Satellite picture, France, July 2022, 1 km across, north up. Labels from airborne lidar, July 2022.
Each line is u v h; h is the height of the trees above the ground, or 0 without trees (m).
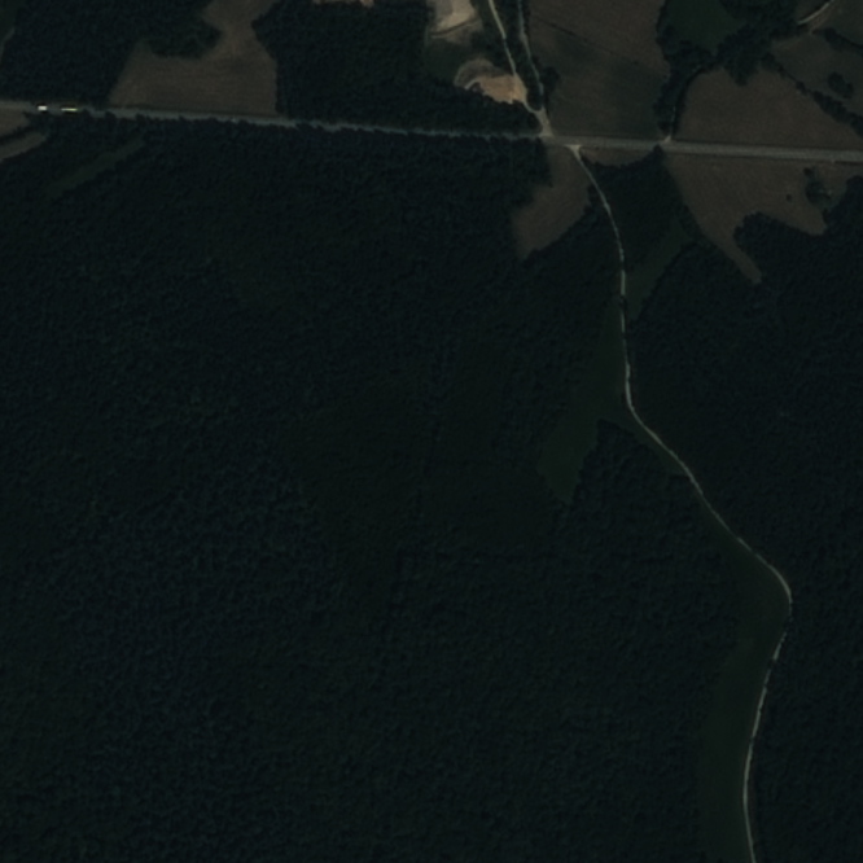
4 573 17
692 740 19
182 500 17
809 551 25
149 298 13
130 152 0
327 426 7
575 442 0
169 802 18
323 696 15
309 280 12
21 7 0
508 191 19
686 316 10
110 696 21
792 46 0
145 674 32
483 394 9
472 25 0
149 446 12
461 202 14
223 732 18
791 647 17
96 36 18
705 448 18
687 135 0
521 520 12
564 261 15
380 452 8
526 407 19
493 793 20
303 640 20
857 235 20
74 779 23
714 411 17
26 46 22
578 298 15
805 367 19
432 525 16
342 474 8
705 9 0
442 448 11
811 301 16
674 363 18
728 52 17
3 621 18
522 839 17
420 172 12
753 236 16
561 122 0
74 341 9
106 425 14
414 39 8
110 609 18
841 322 20
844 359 18
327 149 23
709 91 0
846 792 24
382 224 16
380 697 18
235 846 25
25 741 20
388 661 21
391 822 20
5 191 17
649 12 0
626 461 20
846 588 23
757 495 18
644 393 14
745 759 0
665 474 23
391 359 18
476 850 20
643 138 0
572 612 21
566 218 0
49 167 15
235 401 15
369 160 13
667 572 21
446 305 12
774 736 22
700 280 11
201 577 24
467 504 12
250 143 24
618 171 16
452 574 20
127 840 21
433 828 22
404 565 20
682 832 21
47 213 12
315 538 14
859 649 18
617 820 22
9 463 15
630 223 17
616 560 22
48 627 19
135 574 29
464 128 17
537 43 0
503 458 18
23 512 14
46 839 21
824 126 0
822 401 14
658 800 19
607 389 0
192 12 14
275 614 19
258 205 18
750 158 0
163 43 12
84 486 12
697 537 21
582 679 17
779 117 0
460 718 10
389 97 21
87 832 15
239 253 18
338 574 14
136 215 14
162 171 18
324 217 20
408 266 13
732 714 0
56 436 13
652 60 0
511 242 17
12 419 11
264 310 17
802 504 15
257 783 23
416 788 18
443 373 19
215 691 19
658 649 18
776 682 14
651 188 18
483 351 11
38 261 15
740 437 15
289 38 19
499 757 19
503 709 20
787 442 15
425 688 18
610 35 0
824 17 0
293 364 15
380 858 20
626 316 13
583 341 17
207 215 17
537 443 20
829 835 22
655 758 20
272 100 0
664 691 20
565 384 16
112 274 13
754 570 0
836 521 16
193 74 0
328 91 11
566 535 17
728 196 0
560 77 15
